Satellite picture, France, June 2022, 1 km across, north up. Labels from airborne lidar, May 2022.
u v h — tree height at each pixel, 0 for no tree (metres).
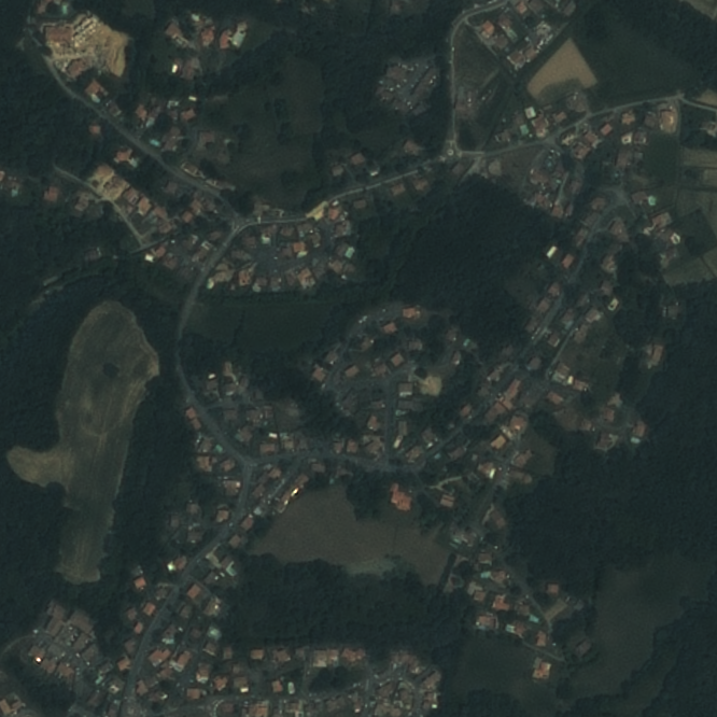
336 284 12
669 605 0
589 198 12
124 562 16
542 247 6
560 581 20
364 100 17
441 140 16
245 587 8
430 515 15
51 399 9
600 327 0
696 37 13
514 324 13
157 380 16
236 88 22
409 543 0
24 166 18
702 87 13
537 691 0
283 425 0
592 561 28
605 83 0
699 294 20
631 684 15
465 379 8
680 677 24
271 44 20
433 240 17
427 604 14
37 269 14
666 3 18
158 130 11
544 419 17
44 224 17
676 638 23
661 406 21
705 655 6
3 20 27
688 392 24
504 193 15
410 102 0
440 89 16
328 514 0
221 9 28
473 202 16
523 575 0
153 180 5
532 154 0
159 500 26
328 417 10
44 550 13
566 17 6
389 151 10
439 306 18
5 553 13
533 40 0
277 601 17
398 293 19
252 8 25
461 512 9
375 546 0
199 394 9
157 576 11
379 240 0
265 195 0
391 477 14
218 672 11
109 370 17
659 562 0
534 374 15
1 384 26
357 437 12
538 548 24
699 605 19
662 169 0
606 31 8
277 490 0
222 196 9
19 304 25
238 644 11
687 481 19
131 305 17
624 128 0
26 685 8
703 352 26
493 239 12
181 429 20
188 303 0
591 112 0
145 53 16
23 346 23
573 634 16
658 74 0
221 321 0
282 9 26
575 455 21
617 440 0
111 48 0
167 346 21
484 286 23
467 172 0
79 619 0
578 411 0
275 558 15
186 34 16
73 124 18
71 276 11
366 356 0
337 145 21
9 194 0
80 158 11
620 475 26
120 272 11
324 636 14
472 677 0
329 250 7
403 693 0
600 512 26
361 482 14
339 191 11
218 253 0
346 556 0
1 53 14
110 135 27
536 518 29
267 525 21
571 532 30
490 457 9
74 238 20
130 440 7
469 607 9
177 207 16
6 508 24
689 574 0
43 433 15
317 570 15
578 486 30
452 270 16
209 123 0
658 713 15
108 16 21
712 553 23
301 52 19
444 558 0
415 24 20
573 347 0
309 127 0
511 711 26
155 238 14
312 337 0
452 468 18
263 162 0
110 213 14
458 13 18
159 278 9
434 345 19
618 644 0
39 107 9
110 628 19
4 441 19
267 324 0
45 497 17
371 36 18
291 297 15
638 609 0
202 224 22
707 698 19
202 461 0
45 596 21
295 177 9
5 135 22
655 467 19
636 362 15
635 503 18
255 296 13
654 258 17
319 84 0
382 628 11
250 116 0
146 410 11
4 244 11
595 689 0
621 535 31
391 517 0
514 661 0
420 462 0
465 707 14
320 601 10
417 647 24
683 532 18
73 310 25
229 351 29
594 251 14
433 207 19
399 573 10
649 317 17
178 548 14
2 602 6
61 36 0
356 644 15
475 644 0
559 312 6
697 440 26
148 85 16
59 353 19
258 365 26
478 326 11
